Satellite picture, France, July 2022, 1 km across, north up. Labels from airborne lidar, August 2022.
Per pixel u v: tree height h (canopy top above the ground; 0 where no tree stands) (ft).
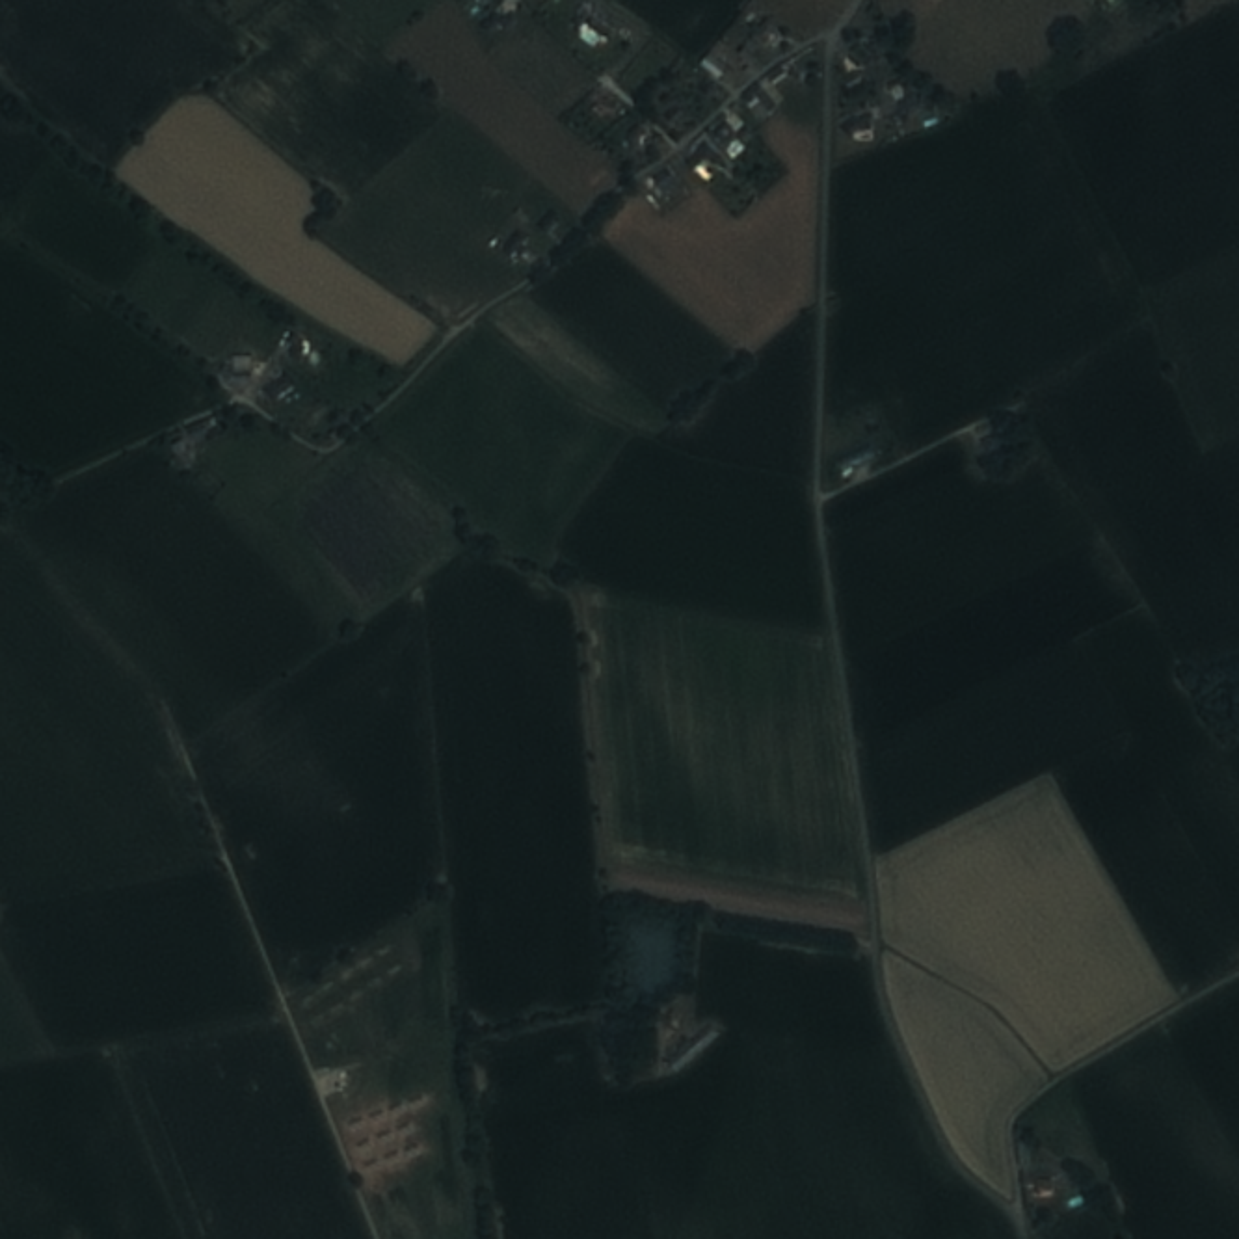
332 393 0
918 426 0
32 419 0
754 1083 0
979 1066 0
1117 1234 0
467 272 0
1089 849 0
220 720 0
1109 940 0
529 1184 0
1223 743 42
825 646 0
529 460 0
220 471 0
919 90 36
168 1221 0
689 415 44
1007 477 47
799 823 0
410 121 0
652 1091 0
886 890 0
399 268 0
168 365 0
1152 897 0
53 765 0
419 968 0
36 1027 0
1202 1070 0
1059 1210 0
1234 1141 0
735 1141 0
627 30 0
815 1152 0
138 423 0
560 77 0
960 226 0
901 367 0
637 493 0
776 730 0
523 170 0
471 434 0
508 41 0
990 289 0
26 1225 0
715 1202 0
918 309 0
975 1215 0
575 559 0
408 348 0
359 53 0
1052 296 0
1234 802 0
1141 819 0
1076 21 46
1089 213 0
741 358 40
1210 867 0
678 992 32
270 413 0
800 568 0
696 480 0
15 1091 0
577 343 0
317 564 0
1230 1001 0
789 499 0
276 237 0
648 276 0
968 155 0
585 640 30
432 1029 0
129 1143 0
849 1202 0
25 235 0
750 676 0
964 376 0
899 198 0
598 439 0
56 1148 0
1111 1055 0
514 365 0
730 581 0
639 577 0
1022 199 0
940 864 0
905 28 61
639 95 47
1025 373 0
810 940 72
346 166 0
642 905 63
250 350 0
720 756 0
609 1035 56
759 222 0
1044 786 0
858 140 0
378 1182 0
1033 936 0
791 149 0
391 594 0
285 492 0
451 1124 0
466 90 0
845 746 0
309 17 0
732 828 0
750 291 0
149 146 0
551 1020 27
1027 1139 45
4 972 0
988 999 0
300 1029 0
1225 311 0
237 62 25
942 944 0
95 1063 0
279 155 0
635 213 0
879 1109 0
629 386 0
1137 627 0
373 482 0
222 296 0
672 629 0
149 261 0
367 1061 0
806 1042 0
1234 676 80
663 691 0
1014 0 0
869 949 0
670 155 0
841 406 0
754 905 0
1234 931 0
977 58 0
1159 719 0
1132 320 0
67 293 0
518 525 0
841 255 0
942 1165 0
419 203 0
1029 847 0
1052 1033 0
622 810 0
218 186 0
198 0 0
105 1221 0
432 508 0
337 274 0
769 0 0
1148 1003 0
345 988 0
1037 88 0
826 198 0
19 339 0
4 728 0
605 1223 0
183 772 0
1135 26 0
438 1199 0
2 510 48
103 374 0
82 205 0
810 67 26
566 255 44
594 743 0
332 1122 0
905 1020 0
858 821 0
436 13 0
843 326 0
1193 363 0
